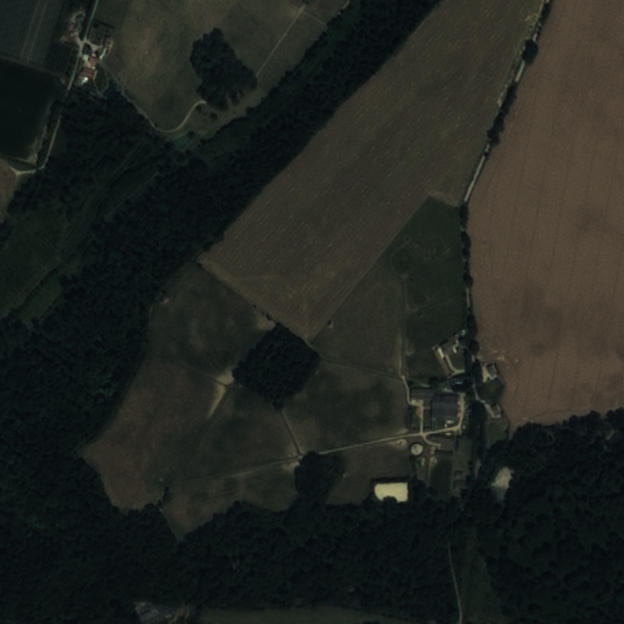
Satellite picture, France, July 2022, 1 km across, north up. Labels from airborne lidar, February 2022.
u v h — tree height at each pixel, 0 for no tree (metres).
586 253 0
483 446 15
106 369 20
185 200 25
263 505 0
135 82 0
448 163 0
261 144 18
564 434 12
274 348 22
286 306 0
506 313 0
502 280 0
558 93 0
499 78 0
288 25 0
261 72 0
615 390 0
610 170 0
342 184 0
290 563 24
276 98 20
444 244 0
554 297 0
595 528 19
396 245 0
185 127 0
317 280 0
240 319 0
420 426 0
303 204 0
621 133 0
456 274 0
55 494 22
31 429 16
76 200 25
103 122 17
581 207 0
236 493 0
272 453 0
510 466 15
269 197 0
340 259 0
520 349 0
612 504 16
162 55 0
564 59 0
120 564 21
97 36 0
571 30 0
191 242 24
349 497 0
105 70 0
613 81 0
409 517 23
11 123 0
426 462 0
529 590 16
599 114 0
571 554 28
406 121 0
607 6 0
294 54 0
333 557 16
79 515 21
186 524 0
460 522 17
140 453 0
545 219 0
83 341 23
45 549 15
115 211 0
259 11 0
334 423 0
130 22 0
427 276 0
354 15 0
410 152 0
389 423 0
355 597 24
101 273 27
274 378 14
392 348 0
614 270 0
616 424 22
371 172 0
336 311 0
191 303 0
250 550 19
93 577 26
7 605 22
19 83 0
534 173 0
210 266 0
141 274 26
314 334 0
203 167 20
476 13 0
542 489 13
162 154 6
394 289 0
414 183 0
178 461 0
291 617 0
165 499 9
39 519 18
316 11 0
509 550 13
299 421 0
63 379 20
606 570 21
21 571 22
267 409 0
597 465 18
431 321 0
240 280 0
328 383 0
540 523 19
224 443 0
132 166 0
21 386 18
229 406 0
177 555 25
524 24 0
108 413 15
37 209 21
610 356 0
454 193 0
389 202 0
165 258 22
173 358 0
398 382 0
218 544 20
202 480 0
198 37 0
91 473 16
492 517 18
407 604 20
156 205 25
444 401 0
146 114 0
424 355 0
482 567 0
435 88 0
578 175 0
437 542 23
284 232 0
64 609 20
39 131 0
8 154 0
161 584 18
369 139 0
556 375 0
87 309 25
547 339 0
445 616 25
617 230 0
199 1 0
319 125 11
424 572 17
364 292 0
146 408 0
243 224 0
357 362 0
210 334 0
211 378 0
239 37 0
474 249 0
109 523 20
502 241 0
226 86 23
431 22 0
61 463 18
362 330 0
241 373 18
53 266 0
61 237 0
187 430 0
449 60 0
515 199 0
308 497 16
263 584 21
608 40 0
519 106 0
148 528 25
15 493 14
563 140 0
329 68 16
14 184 0
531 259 0
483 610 0
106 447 0
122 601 20
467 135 0
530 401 0
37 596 21
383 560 21
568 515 0
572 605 21
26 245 0
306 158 0
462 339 12
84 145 14
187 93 0
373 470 0
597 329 0
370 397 0
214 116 13
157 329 0
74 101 6
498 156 0
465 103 0
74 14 0
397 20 8
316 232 0
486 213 0
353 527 15
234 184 7
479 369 15
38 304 0
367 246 0
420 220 0
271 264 0
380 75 0
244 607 15
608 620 12
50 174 16
